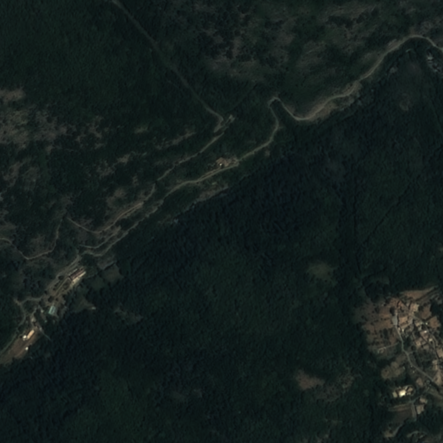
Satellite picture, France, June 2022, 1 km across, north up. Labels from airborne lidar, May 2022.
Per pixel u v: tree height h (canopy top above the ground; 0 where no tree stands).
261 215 19
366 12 6
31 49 17
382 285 10
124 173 16
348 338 15
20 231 10
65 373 17
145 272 9
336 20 9
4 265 22
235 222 22
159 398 23
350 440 14
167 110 12
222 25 13
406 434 16
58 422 16
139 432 22
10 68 15
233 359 17
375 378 13
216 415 17
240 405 11
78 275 0
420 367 7
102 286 0
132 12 18
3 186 12
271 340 11
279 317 19
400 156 13
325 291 11
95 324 10
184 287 9
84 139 8
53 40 21
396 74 9
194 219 10
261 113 13
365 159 14
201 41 16
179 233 8
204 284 14
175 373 9
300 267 15
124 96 19
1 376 16
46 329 15
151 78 17
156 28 25
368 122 11
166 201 13
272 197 22
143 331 20
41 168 8
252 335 8
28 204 8
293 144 17
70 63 14
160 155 13
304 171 15
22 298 20
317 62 0
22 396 24
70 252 23
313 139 12
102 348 13
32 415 15
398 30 6
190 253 7
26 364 18
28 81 9
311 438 11
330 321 11
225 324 16
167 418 16
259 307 18
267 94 21
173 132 12
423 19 6
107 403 16
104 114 13
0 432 14
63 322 7
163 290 18
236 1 10
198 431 21
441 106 14
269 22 9
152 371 26
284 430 9
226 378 10
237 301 15
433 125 12
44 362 24
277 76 9
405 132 12
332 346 17
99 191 14
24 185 10
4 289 17
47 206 9
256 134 9
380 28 8
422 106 10
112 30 21
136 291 11
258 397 11
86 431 19
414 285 9
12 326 11
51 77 14
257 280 23
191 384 11
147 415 24
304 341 15
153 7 26
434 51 13
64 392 28
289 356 12
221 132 13
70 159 16
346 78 9
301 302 15
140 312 8
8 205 6
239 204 28
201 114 8
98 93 19
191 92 21
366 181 10
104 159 12
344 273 22
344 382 5
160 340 18
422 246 16
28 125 7
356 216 17
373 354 13
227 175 8
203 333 13
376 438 21
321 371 7
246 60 13
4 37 11
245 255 18
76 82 15
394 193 12
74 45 15
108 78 20
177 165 7
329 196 16
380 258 17
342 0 10
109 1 8
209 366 13
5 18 15
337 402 11
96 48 20
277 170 22
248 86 11
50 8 9
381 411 9
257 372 16
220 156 7
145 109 11
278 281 21
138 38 14
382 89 18
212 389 15
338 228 17
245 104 9
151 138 14
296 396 8
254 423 13
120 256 14
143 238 15
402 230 15
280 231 25
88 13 16
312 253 10
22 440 20
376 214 16
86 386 18
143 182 10
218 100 11
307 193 20
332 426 12
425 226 13
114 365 17
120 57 18
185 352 13
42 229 19
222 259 19
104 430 19
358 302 17
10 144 9
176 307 7
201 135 11
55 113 8
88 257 16
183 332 20
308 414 12
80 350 16
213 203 12
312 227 21
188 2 7
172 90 8
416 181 10
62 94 12
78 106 10
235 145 7
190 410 24
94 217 7
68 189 13
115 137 13
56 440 16
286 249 15
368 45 9
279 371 7
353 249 15
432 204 15
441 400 0
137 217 7
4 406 25
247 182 9
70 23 21
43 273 11
